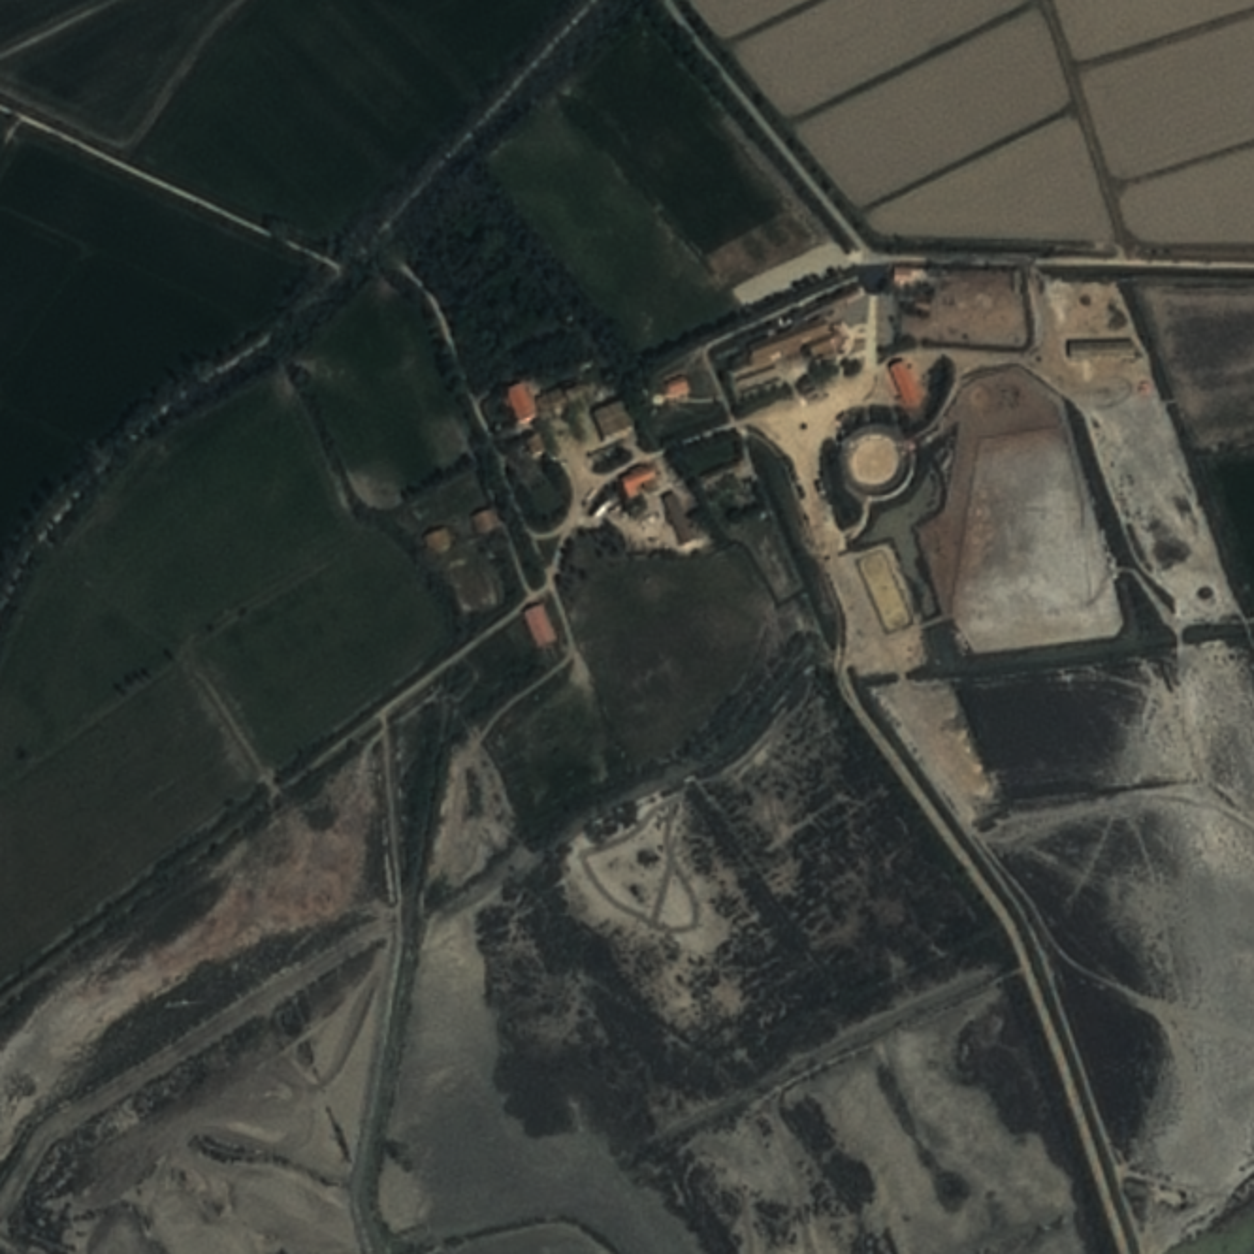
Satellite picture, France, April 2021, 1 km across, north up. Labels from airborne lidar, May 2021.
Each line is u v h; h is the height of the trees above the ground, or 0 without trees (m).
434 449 0
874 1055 0
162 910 0
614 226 0
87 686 0
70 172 0
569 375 16
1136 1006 0
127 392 0
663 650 0
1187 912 0
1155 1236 0
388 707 0
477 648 0
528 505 12
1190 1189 0
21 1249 0
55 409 0
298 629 0
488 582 0
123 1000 0
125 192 0
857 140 0
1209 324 0
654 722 0
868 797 0
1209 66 0
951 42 0
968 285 0
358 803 0
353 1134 0
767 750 0
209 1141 0
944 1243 0
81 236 0
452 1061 0
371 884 0
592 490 0
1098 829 0
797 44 0
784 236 0
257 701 0
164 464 0
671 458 12
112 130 0
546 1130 0
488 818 0
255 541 0
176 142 0
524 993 0
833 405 0
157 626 0
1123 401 0
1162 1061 0
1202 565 0
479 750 0
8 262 0
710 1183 0
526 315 15
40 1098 0
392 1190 0
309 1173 0
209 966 0
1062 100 0
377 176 0
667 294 0
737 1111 0
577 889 0
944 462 0
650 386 9
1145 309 0
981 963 0
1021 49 0
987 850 0
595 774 0
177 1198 0
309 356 0
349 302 10
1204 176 0
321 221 0
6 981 0
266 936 0
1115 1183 0
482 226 13
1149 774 0
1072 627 0
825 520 0
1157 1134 0
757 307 7
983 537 0
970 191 0
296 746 0
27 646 0
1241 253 0
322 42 0
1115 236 0
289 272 0
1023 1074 0
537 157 0
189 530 0
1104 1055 0
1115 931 0
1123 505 0
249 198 0
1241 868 0
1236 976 0
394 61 0
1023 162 0
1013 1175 0
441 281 11
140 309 0
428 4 0
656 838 0
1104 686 0
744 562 0
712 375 0
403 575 0
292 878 0
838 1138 0
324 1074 0
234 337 0
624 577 0
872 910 0
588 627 0
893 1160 0
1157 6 0
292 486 0
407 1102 0
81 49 0
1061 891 0
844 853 0
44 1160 0
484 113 13
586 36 16
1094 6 0
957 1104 0
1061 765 0
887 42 0
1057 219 0
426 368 0
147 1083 0
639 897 0
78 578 0
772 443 0
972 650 0
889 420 6
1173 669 0
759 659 0
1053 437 0
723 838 0
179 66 0
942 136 0
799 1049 0
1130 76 0
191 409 16
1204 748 0
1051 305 0
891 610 0
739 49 0
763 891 0
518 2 0
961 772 0
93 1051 0
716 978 0
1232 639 0
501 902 0
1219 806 0
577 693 0
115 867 0
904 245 9
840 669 0
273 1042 0
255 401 0
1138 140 0
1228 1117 0
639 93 0
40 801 0
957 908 0
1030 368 0
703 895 0
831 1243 0
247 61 0
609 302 0
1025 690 0
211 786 0
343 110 0
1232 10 0
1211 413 0
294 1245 0
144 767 0
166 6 0
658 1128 0
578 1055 0
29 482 0
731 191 0
